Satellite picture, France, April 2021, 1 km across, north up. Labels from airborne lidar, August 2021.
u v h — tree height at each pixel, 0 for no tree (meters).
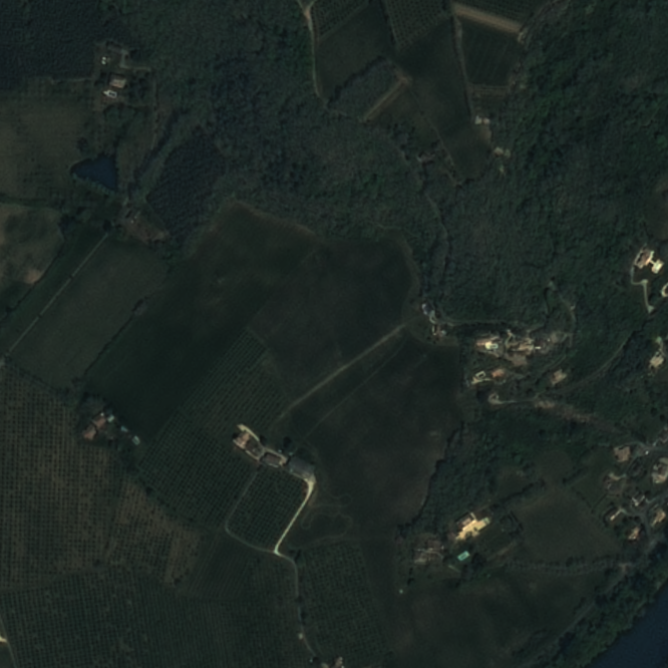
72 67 13
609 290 11
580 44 11
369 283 0
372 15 0
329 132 19
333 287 0
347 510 0
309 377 0
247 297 0
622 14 13
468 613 0
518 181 22
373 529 0
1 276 0
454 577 0
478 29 0
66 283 0
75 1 13
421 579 0
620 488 18
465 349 11
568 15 10
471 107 14
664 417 9
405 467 0
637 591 26
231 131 21
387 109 0
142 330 0
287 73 26
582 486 0
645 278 0
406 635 0
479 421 7
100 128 13
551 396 8
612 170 10
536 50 21
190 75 12
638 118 9
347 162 20
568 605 0
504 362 11
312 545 0
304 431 0
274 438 0
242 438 0
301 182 13
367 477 0
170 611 5
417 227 10
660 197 0
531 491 14
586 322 8
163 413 0
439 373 0
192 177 13
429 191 20
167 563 6
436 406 0
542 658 6
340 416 0
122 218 9
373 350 0
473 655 0
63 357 0
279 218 20
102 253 0
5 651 0
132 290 0
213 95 19
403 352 0
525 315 11
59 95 9
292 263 0
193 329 0
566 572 9
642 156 9
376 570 0
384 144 21
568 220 16
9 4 12
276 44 23
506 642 0
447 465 15
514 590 0
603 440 18
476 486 25
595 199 16
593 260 9
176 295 0
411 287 0
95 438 6
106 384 0
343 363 0
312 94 18
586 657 13
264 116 23
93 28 13
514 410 6
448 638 0
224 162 10
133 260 0
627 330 12
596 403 10
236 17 23
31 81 8
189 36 22
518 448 6
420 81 0
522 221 21
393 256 0
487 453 8
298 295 0
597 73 18
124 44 10
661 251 17
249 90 22
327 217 17
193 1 22
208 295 0
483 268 11
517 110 15
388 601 0
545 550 0
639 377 8
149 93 14
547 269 19
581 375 8
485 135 0
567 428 12
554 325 17
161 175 13
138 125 14
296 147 18
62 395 14
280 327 0
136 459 0
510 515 7
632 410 8
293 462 0
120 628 6
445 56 0
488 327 10
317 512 0
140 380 0
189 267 0
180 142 17
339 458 0
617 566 9
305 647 0
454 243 18
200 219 16
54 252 0
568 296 19
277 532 6
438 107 0
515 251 22
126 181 6
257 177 16
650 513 7
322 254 0
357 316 0
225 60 20
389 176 25
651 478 0
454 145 0
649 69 8
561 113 17
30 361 0
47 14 15
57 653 6
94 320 0
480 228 14
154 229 0
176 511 8
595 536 0
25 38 10
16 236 0
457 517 15
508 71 0
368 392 0
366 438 0
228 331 0
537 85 18
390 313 0
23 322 0
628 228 9
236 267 0
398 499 0
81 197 7
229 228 0
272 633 6
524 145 20
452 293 7
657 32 14
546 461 0
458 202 16
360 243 0
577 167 22
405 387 0
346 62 0
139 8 22
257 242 0
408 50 0
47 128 0
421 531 20
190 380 0
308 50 18
